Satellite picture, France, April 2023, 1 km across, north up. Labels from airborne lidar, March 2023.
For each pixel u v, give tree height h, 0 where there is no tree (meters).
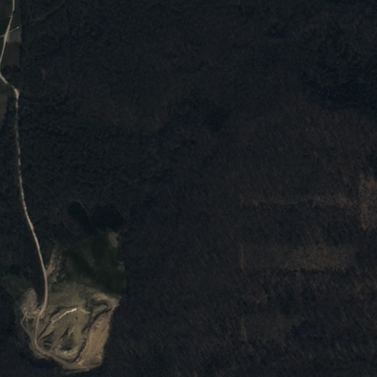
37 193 15
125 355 23
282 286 17
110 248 0
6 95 0
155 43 25
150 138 22
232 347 18
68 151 20
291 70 26
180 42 29
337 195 15
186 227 20
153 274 17
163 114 24
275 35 28
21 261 14
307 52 24
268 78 24
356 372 24
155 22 26
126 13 28
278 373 22
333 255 0
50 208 22
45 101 11
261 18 18
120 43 25
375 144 23
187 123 20
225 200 20
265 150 23
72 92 14
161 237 14
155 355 18
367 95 19
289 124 23
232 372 23
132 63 22
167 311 25
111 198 16
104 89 24
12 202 24
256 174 22
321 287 19
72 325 0
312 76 16
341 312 28
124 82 23
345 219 17
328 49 22
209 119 22
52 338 0
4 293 13
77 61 16
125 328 23
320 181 16
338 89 18
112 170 22
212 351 21
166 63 24
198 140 16
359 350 28
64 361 0
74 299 0
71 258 0
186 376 22
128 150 20
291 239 19
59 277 0
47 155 13
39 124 17
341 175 16
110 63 24
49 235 17
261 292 21
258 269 0
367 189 0
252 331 0
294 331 0
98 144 26
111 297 0
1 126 0
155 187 24
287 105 22
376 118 20
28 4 14
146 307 22
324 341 25
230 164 22
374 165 18
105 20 26
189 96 22
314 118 24
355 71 16
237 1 22
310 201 0
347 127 21
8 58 0
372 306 26
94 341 0
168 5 27
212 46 25
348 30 23
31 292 0
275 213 21
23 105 11
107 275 0
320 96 18
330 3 26
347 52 8
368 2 10
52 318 0
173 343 23
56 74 17
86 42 17
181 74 23
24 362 17
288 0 25
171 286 21
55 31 12
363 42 23
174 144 28
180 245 20
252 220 22
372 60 15
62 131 19
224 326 19
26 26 13
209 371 19
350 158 13
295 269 0
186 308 25
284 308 19
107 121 24
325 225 16
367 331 26
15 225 27
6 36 0
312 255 0
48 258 0
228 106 16
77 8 25
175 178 16
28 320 0
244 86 18
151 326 23
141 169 19
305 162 18
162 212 17
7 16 0
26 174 20
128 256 19
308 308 18
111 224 7
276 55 19
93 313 0
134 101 23
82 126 13
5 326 14
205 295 22
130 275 18
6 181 26
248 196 18
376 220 0
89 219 11
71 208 13
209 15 25
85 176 17
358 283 22
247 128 20
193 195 19
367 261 24
